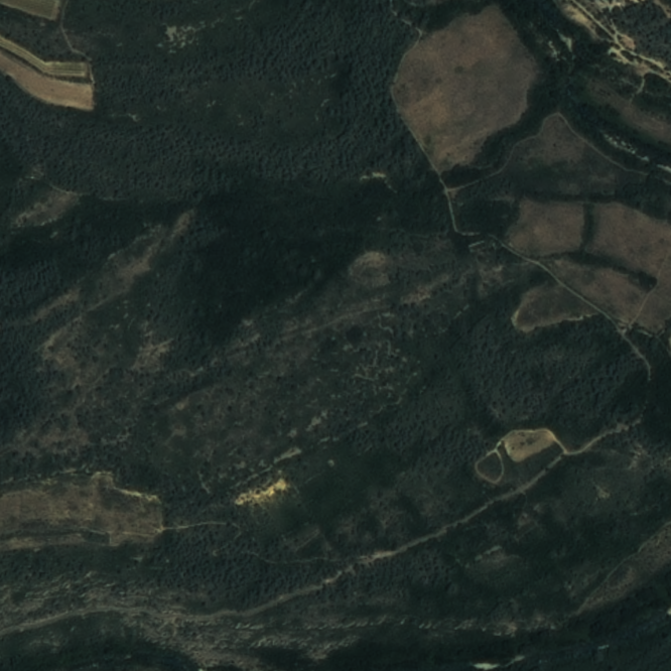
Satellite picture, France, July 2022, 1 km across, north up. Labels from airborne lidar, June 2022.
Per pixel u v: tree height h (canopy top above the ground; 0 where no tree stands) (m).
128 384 0
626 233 0
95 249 7
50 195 0
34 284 10
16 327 9
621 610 9
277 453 0
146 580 8
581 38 6
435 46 0
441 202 7
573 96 9
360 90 15
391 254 8
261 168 16
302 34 15
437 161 0
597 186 0
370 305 0
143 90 9
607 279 0
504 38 0
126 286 0
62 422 10
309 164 15
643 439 13
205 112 0
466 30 0
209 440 0
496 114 0
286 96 0
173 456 0
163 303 7
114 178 8
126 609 0
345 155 16
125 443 9
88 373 0
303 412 0
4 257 11
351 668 8
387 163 16
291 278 8
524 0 15
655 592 13
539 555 7
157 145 14
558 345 11
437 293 11
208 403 0
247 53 9
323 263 8
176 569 14
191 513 12
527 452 0
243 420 0
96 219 6
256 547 14
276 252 10
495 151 6
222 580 15
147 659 9
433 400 6
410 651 6
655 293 0
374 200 6
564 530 10
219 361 7
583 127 12
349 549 8
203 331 6
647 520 6
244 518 6
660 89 7
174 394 14
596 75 8
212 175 16
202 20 0
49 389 9
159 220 7
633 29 13
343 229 10
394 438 12
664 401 9
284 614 8
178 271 9
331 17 13
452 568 10
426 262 0
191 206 10
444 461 10
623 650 7
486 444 8
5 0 0
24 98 8
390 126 18
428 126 0
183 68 12
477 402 7
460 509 15
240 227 9
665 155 17
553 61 14
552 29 7
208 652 0
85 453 7
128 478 9
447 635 9
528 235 0
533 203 0
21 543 0
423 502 6
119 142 10
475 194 9
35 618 14
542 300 0
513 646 6
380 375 6
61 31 0
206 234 17
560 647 6
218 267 7
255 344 7
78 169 8
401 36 13
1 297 12
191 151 14
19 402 12
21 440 0
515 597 9
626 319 0
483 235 7
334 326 0
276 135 0
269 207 9
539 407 11
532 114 6
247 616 0
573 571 8
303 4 16
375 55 17
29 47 0
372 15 17
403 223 8
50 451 0
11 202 10
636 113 0
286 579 13
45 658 6
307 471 11
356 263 0
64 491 0
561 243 0
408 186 16
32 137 12
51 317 6
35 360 10
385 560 8
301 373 0
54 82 0
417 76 0
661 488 10
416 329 11
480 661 9
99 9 9
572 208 0
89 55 9
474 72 0
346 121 12
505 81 0
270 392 0
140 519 0
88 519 0
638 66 0
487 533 13
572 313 0
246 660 0
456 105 0
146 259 0
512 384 13
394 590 13
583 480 7
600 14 9
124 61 9
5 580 7
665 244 0
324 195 6
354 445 13
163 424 0
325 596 19
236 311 5
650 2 13
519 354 8
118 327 0
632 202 6
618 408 18
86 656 6
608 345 11
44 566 8
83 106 0
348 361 0
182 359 8
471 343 8
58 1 0
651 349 13
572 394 13
